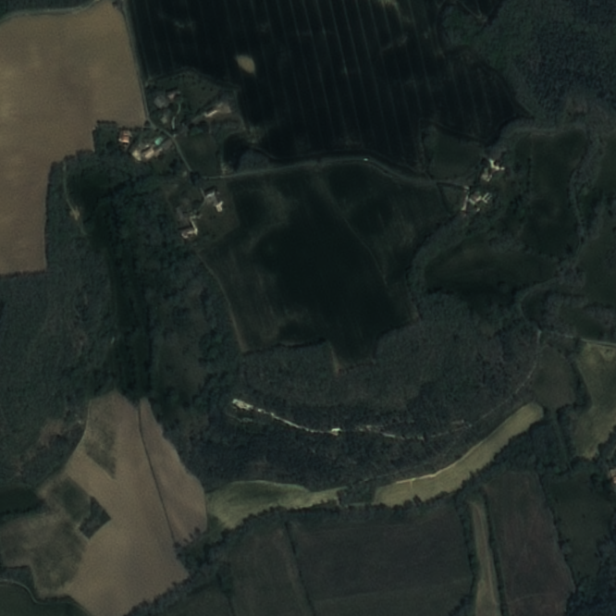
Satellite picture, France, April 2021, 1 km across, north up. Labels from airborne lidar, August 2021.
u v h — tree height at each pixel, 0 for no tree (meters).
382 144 0
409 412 9
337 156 0
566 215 0
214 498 0
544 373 0
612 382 0
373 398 11
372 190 0
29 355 19
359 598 0
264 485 0
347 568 0
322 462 16
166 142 0
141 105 0
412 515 20
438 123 0
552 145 0
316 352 16
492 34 24
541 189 0
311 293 0
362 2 0
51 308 17
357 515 20
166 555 0
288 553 0
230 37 0
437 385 16
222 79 0
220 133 16
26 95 0
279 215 0
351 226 0
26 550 0
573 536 0
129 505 0
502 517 0
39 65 0
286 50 0
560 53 21
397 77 0
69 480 0
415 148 0
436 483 0
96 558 0
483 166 8
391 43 0
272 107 0
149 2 0
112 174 23
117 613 0
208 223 0
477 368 13
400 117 0
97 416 0
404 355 16
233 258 0
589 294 0
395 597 0
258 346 0
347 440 11
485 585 0
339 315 0
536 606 0
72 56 0
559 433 20
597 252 0
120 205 28
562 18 20
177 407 0
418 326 17
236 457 17
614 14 17
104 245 0
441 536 0
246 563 0
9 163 0
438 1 0
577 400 0
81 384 19
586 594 9
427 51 0
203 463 17
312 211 0
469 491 16
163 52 0
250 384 13
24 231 0
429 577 0
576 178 9
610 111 18
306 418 10
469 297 0
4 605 0
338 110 0
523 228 8
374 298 0
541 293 0
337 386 13
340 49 0
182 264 21
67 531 0
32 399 17
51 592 0
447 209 6
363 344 0
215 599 0
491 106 0
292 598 0
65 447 20
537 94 15
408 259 0
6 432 15
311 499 0
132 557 0
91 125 0
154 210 23
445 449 13
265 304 0
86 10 0
